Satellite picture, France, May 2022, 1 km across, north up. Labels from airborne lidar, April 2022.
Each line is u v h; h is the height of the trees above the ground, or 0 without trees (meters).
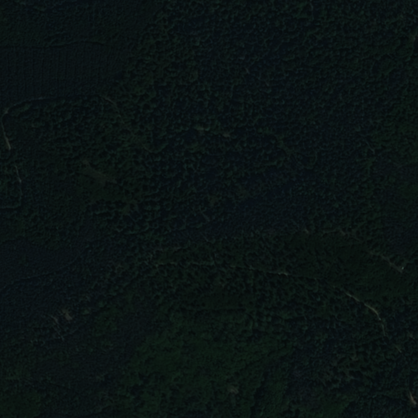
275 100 28
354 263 12
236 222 26
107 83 15
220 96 20
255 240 7
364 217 13
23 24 12
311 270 16
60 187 16
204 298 18
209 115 33
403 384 29
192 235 26
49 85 19
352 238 8
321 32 30
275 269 30
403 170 24
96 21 16
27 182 21
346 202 17
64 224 13
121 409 9
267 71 25
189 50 17
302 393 28
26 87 16
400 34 16
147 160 27
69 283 26
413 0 29
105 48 16
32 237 11
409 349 29
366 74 24
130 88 29
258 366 22
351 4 28
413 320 10
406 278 9
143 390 33
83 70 16
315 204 28
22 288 24
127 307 28
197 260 31
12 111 12
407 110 28
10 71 17
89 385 24
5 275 19
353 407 30
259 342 30
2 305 24
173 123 33
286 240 9
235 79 24
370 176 19
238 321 30
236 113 30
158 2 22
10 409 27
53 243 21
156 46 23
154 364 28
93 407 23
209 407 18
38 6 20
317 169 24
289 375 24
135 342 31
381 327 10
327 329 31
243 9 30
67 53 16
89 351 29
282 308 38
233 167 34
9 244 20
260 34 32
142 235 24
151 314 30
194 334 28
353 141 18
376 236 23
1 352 27
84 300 7
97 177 0
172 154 37
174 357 29
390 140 25
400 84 22
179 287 17
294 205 11
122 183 19
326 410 28
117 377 26
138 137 17
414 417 32
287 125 25
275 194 26
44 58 16
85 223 21
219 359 23
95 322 25
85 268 20
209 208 32
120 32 14
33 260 22
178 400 24
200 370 29
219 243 9
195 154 23
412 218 22
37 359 27
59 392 30
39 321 28
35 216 22
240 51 32
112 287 22
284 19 25
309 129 31
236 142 18
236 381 15
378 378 28
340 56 31
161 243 18
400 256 11
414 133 30
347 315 21
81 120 19
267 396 21
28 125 12
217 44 29
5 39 10
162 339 33
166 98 24
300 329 34
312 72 29
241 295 22
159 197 11
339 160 23
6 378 22
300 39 32
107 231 24
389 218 21
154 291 34
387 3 25
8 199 14
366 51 28
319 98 24
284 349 27
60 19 22
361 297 12
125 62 19
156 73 25
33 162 18
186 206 17
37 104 21
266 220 21
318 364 23
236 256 17
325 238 9
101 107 14
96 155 24
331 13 28
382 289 11
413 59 24
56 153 14
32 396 29
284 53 36
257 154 16
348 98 26
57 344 28
